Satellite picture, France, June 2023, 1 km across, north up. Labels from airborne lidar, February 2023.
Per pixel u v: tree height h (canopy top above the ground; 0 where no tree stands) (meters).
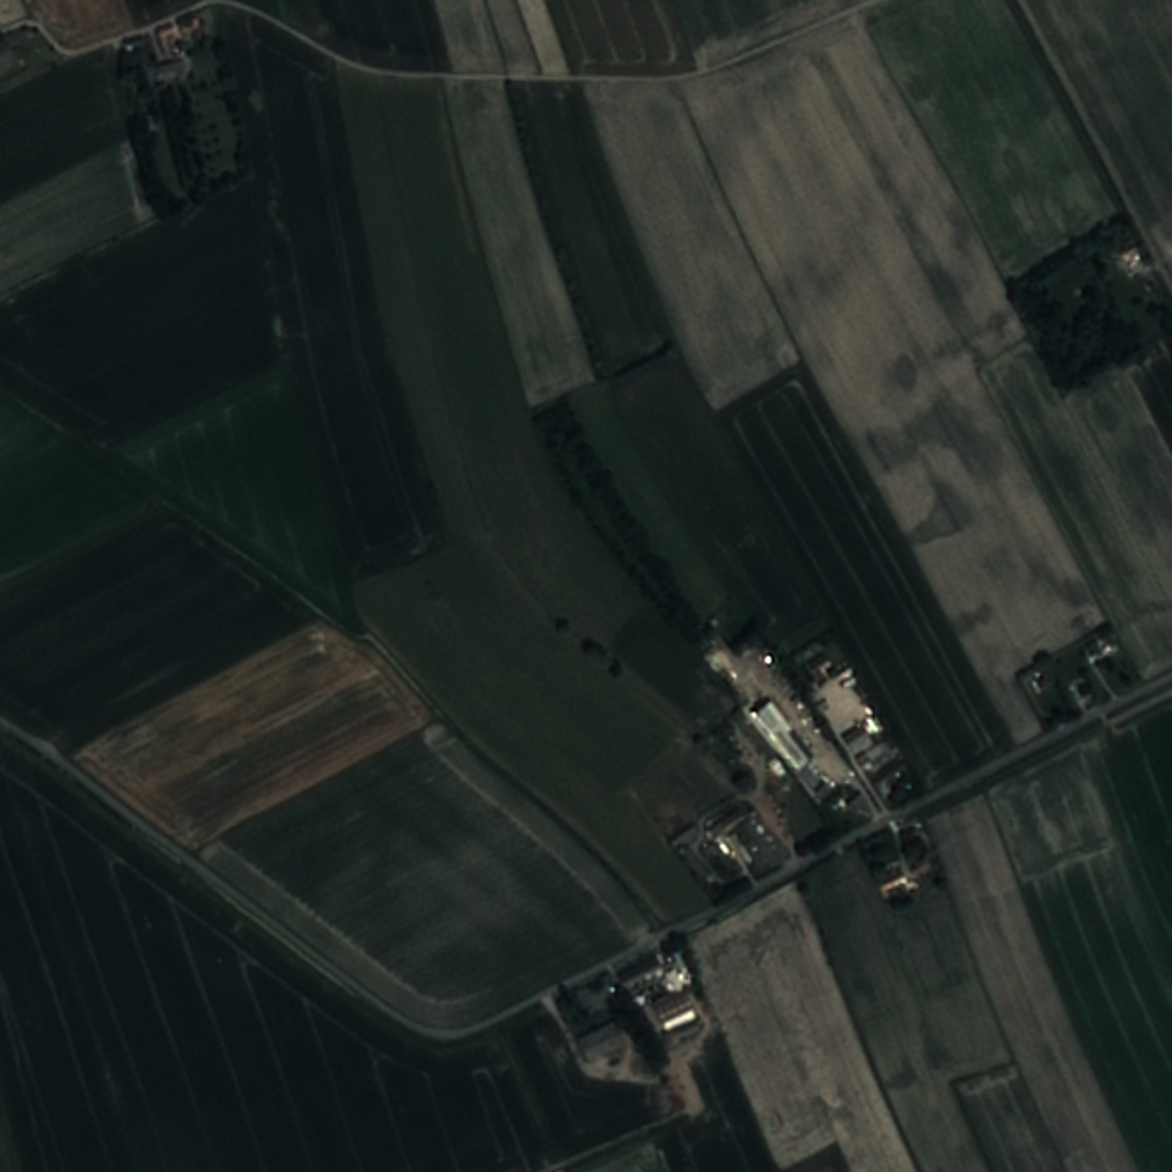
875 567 0
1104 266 20
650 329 0
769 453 0
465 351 0
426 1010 0
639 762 0
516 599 0
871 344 0
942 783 0
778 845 0
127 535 0
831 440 0
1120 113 0
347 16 0
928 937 0
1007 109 0
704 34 0
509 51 0
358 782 0
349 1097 0
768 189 0
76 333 0
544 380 0
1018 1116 0
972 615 0
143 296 0
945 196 0
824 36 0
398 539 0
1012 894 0
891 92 0
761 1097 0
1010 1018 0
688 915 0
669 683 0
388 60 0
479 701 0
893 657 0
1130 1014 0
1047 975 0
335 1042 0
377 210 0
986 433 0
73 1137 0
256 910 0
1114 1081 0
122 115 0
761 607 0
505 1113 0
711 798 0
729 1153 0
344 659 0
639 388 0
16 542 0
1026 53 0
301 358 0
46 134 0
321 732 0
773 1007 0
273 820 0
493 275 0
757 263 0
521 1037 0
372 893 0
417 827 0
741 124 0
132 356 0
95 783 0
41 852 0
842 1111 0
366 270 0
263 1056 0
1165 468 0
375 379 0
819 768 0
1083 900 0
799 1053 0
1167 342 0
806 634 0
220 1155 0
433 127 0
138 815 0
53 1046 0
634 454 0
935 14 0
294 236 0
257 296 0
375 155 0
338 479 0
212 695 0
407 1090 0
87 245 0
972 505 0
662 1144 0
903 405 0
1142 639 0
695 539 0
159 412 0
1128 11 0
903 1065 0
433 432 0
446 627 0
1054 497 0
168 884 0
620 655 0
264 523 0
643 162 0
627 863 0
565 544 0
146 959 0
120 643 0
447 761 0
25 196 0
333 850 0
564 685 0
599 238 0
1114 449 0
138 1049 0
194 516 0
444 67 0
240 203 0
